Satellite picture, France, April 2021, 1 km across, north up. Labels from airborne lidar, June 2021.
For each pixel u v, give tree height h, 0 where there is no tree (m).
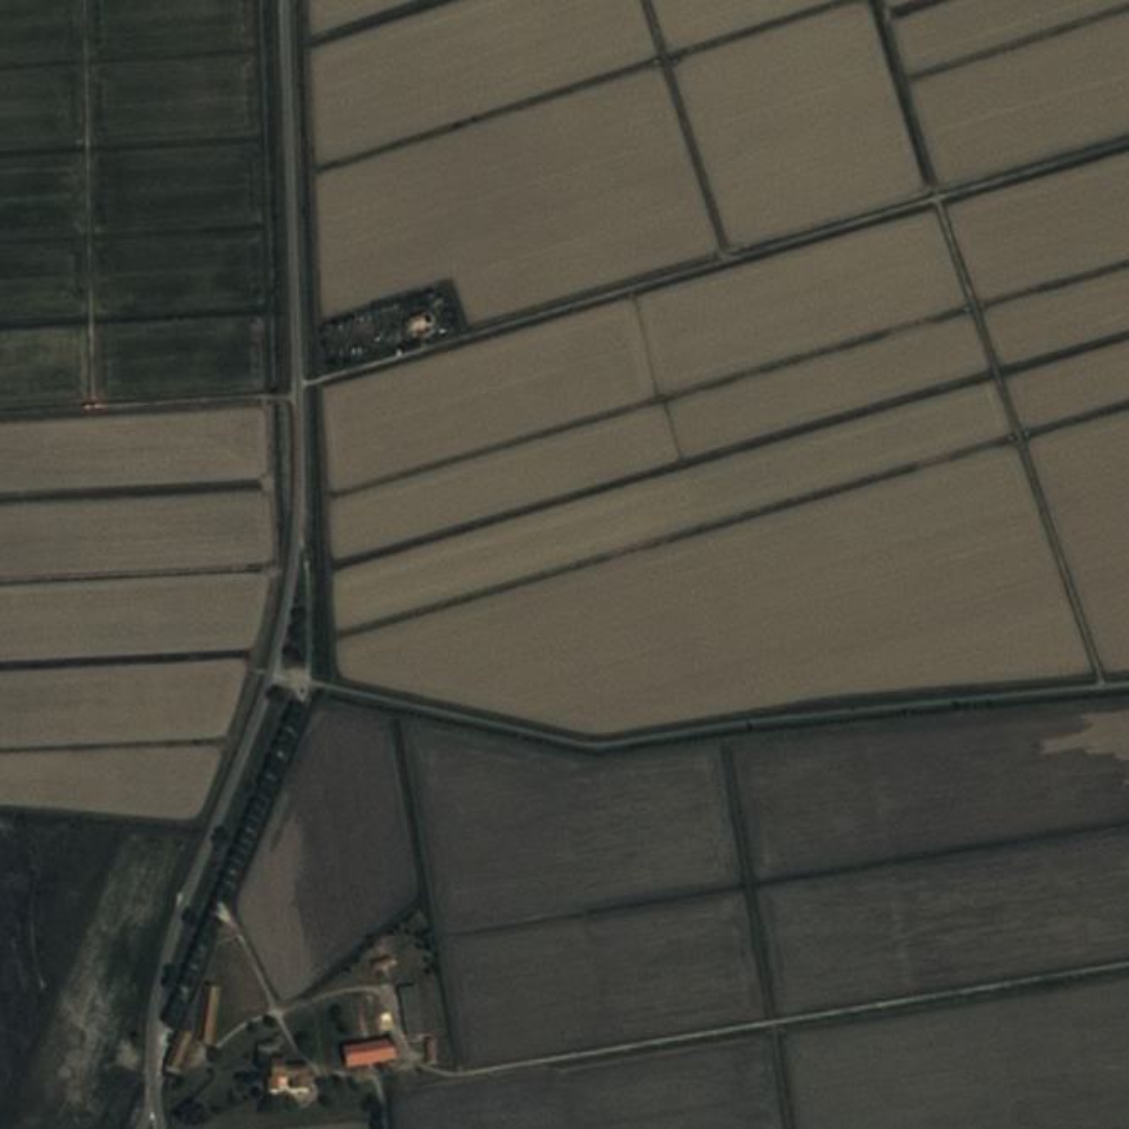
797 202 0
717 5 0
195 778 0
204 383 0
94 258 0
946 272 0
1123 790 0
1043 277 0
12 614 0
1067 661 0
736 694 0
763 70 0
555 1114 0
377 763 0
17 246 0
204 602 0
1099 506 0
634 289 0
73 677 0
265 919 0
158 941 0
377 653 0
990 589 0
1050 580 0
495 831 0
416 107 0
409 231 0
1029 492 0
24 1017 0
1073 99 0
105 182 0
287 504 0
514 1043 0
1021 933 0
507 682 0
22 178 0
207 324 0
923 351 0
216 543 0
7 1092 0
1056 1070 0
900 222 0
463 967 0
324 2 0
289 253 0
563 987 0
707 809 0
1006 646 0
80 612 0
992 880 0
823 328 0
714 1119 0
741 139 0
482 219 0
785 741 0
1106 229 0
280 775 9
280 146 0
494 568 0
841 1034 0
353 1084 12
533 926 0
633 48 0
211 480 0
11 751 0
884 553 0
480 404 0
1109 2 0
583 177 0
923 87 0
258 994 0
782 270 0
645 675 0
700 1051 0
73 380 0
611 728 0
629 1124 0
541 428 0
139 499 0
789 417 0
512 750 0
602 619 0
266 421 0
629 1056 0
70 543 0
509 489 0
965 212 0
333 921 0
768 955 0
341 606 0
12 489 0
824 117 0
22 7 0
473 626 0
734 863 0
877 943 0
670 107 0
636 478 0
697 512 0
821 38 0
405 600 0
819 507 0
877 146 0
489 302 0
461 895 0
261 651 0
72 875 0
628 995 0
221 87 0
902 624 0
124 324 0
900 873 0
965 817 0
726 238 0
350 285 0
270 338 0
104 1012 0
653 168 0
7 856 0
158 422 0
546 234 0
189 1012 6
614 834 0
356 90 0
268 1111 21
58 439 0
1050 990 0
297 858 0
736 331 0
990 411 0
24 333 0
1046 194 0
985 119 0
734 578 0
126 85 0
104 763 0
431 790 0
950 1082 0
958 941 0
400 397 0
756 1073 0
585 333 0
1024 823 0
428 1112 0
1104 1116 0
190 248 0
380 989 0
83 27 0
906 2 0
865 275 0
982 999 0
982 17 0
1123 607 0
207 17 0
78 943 0
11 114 0
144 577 0
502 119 0
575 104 0
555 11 0
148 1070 0
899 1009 0
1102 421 0
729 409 0
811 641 0
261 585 0
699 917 0
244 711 0
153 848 0
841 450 0
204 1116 7
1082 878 0
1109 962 0
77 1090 0
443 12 0
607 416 0
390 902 0
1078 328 0
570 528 0
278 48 0
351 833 0
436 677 0
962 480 0
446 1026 0
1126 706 0
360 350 7
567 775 0
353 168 0
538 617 0
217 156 0
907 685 0
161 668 0
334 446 0
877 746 0
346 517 0
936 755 0
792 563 0
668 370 0
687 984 0
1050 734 0
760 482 0
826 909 0
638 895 0
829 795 0
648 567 0
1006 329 0
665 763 0
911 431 0
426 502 0
